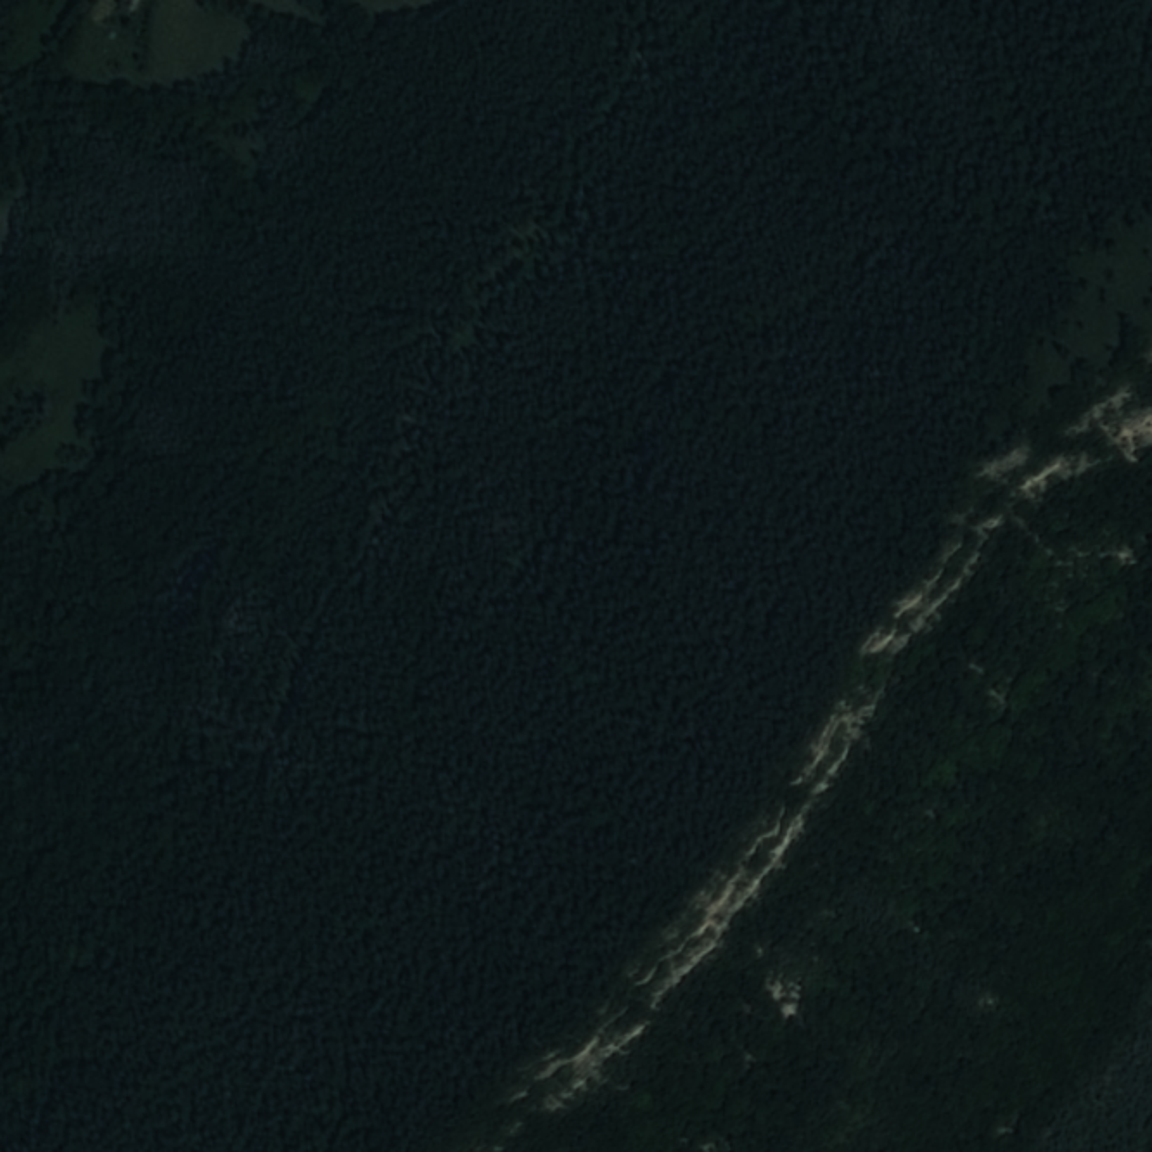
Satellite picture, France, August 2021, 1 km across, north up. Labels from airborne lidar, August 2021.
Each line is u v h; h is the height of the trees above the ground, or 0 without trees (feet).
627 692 93
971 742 51
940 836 42
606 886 71
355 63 88
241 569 84
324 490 54
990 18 58
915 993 75
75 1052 61
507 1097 27
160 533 56
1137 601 75
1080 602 48
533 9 59
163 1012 69
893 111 96
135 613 53
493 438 76
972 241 87
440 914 59
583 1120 48
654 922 38
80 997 63
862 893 64
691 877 39
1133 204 60
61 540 58
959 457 52
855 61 97
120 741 75
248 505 64
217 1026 69
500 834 60
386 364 53
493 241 78
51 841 71
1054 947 50
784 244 93
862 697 27
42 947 42
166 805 65
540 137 59
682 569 78
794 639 67
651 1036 52
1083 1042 58
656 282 91
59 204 37
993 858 50
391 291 75
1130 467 36
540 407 61
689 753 47
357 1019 71
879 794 75
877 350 43
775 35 88
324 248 83
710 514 76
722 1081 56
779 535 72
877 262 28
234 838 59
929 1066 47
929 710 52
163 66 0
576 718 94
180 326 63
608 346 64
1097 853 52
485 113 64
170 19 0
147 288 49
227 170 71
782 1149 58
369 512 69
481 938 54
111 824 62
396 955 59
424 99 87
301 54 57
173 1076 45
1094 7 84
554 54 57
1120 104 71
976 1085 68
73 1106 65
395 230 81
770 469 83
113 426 54
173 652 68
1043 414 30
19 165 45
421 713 76
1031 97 89
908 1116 56
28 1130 61
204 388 63
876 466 79
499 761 68
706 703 61
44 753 66
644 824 61
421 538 47
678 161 82
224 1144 56
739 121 66
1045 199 69
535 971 79
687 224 107
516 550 65
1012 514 23
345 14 60
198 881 74
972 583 63
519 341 64
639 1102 63
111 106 55
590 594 89
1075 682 40
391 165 64
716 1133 59
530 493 71
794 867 56
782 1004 28
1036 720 65
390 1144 34
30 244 40
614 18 80
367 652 48
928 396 48
